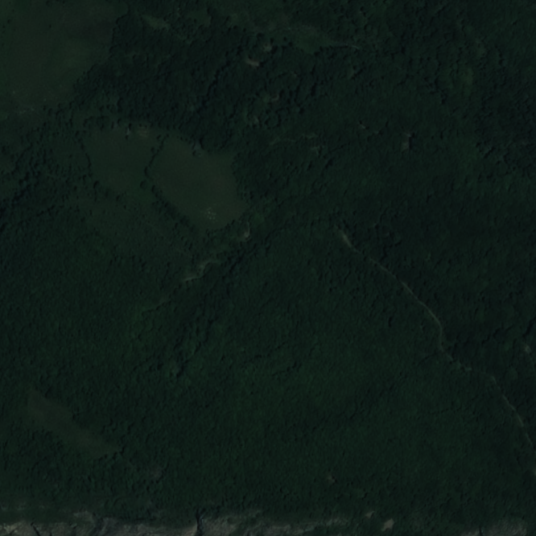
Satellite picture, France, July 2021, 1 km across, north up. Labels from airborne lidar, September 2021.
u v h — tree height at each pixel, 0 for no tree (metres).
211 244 14
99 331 19
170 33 8
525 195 19
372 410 23
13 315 19
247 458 19
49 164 13
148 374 22
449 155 26
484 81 7
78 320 18
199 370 14
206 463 20
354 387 15
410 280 20
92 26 0
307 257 24
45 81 0
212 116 30
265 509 7
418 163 28
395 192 27
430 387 17
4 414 16
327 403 18
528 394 14
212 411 18
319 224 31
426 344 25
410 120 23
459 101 11
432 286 21
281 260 17
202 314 17
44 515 0
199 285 25
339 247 20
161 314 18
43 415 0
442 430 21
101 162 0
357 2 27
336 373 18
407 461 21
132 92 19
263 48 28
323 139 14
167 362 16
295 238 25
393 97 22
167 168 0
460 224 26
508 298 19
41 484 0
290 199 21
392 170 25
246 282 20
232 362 17
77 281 21
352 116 22
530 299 15
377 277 24
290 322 21
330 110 21
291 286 19
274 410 18
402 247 29
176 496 14
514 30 29
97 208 0
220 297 18
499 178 29
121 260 14
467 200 26
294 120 21
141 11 13
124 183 0
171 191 0
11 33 0
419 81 27
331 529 18
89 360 20
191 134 16
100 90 16
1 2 0
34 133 14
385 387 21
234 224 12
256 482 21
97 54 0
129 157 0
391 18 23
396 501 12
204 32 14
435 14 8
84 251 22
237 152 8
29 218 12
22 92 0
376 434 21
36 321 16
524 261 16
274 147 14
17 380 9
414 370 21
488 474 18
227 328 14
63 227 16
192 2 17
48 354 17
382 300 26
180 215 12
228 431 18
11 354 6
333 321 24
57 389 13
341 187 24
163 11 17
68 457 11
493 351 24
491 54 19
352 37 14
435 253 26
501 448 19
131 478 12
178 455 14
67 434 0
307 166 29
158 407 16
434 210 29
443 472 18
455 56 12
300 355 15
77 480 8
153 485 14
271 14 7
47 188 7
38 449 14
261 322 21
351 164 27
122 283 18
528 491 18
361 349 21
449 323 13
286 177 25
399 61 23
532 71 18
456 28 13
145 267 16
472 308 15
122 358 16
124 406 16
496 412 20
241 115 24
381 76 32
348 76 28
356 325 24
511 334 29
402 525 11
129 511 11
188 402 20
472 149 29
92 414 17
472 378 16
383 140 36
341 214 30
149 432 13
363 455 19
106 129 11
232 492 18
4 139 0
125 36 19
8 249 21
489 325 13
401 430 27
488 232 31
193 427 17
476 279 21
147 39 20
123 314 18
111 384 20
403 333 20
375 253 22
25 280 17
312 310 22
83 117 0
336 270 25
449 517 16
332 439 19
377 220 29
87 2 0
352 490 22
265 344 17
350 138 34
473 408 22
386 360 17
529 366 20
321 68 39
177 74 31
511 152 19
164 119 19
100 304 20
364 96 26
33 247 20
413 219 29
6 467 9
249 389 17
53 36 0
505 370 15
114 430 10
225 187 0
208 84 14
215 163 0
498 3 30
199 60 16
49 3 16
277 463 18
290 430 24
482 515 19
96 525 0
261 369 11
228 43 24
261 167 28
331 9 14
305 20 15
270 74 21
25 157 17
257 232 25
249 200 12
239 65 22
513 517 8
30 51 0
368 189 17
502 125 16
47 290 15
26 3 0
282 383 16
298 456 20
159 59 20
